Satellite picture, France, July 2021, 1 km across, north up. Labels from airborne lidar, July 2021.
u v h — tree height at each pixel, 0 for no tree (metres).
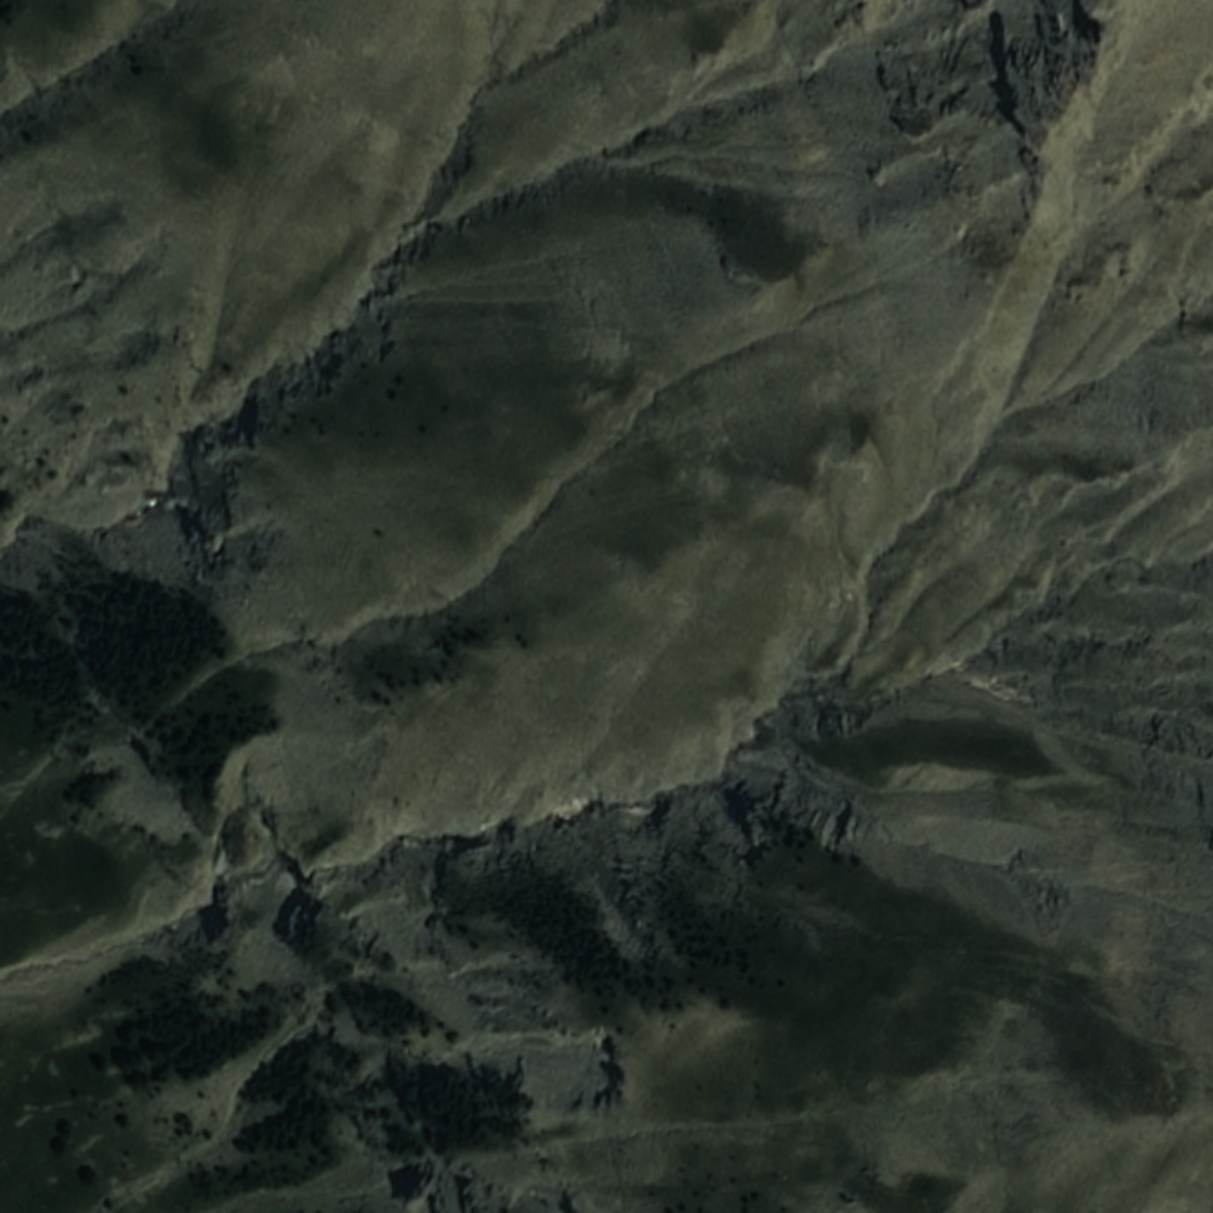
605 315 0
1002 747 0
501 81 0
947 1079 0
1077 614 0
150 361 0
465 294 0
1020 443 0
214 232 0
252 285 0
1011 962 0
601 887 0
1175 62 0
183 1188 0
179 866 0
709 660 0
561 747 0
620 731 0
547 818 0
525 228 0
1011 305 0
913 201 0
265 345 0
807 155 0
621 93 0
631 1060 0
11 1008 0
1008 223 0
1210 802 0
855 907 0
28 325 0
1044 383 0
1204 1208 0
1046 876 0
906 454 0
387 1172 0
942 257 0
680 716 0
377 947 0
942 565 0
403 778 0
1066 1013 0
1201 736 0
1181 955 0
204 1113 0
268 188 0
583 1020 0
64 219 0
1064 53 0
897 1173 0
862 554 0
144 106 0
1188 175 0
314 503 0
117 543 0
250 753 0
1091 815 0
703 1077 0
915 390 0
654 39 0
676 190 0
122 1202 0
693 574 0
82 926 0
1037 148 0
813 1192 0
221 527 0
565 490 0
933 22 0
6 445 0
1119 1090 0
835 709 0
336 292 0
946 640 0
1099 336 0
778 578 0
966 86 0
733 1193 0
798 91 0
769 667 0
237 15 0
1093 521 0
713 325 0
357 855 0
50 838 0
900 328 0
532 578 0
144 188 0
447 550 0
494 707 0
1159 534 0
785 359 0
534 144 0
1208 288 0
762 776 0
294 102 0
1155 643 0
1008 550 0
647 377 0
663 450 0
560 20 0
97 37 0
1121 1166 0
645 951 0
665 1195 0
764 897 0
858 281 0
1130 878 0
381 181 0
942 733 0
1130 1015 0
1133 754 0
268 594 0
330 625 0
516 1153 0
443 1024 7
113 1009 0
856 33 0
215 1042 6
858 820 0
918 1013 0
